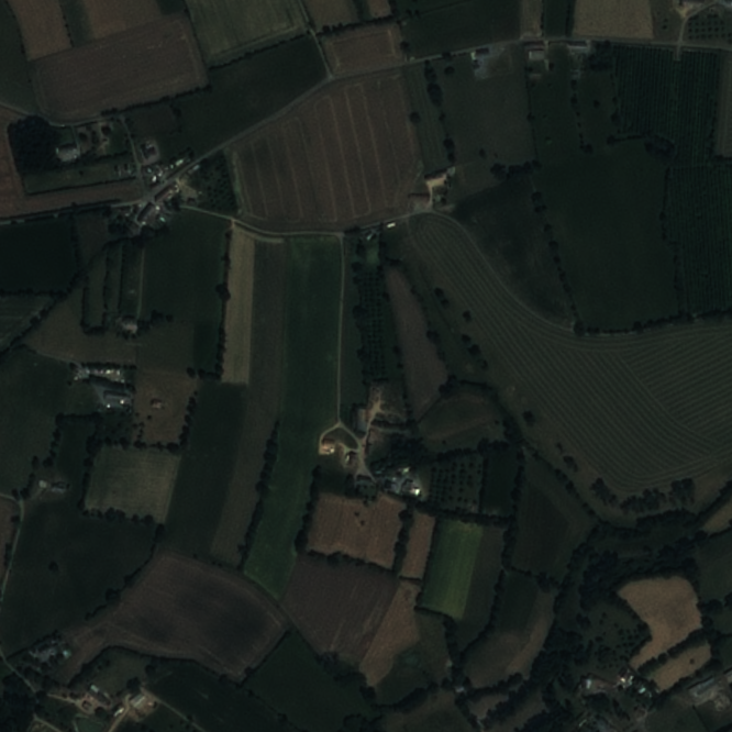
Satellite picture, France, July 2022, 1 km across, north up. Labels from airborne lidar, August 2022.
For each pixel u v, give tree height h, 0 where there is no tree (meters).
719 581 0
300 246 0
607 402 0
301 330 0
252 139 0
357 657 0
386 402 0
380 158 0
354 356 0
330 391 0
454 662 11
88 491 8
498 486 0
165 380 0
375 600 0
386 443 0
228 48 0
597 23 0
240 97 0
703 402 0
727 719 0
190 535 0
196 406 19
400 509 0
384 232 6
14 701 27
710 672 7
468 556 0
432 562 8
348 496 9
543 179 0
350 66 0
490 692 16
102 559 0
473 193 0
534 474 0
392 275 0
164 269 0
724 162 11
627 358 0
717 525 0
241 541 0
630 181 0
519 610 0
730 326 0
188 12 9
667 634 0
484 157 11
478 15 0
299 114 0
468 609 0
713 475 0
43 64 0
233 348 0
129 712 0
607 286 0
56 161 15
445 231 0
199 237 0
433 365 0
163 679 0
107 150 0
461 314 0
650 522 10
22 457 0
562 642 18
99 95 0
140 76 0
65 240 0
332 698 0
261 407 0
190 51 0
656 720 0
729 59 0
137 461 0
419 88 0
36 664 7
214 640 0
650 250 0
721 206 6
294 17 0
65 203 0
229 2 0
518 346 0
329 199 0
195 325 0
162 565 0
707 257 7
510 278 0
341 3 0
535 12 0
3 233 0
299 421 0
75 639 0
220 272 0
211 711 0
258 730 0
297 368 0
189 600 0
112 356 0
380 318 6
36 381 0
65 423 15
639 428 0
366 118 0
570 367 0
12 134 14
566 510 0
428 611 8
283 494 0
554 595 0
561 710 12
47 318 12
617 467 0
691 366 0
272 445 15
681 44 0
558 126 0
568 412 0
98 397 0
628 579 8
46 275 0
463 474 6
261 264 0
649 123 6
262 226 0
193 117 0
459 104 0
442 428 0
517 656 0
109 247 8
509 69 0
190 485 0
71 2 0
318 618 0
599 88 0
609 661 8
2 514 0
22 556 0
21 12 0
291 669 0
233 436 0
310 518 10
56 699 0
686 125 6
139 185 0
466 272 0
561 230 0
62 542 0
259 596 0
